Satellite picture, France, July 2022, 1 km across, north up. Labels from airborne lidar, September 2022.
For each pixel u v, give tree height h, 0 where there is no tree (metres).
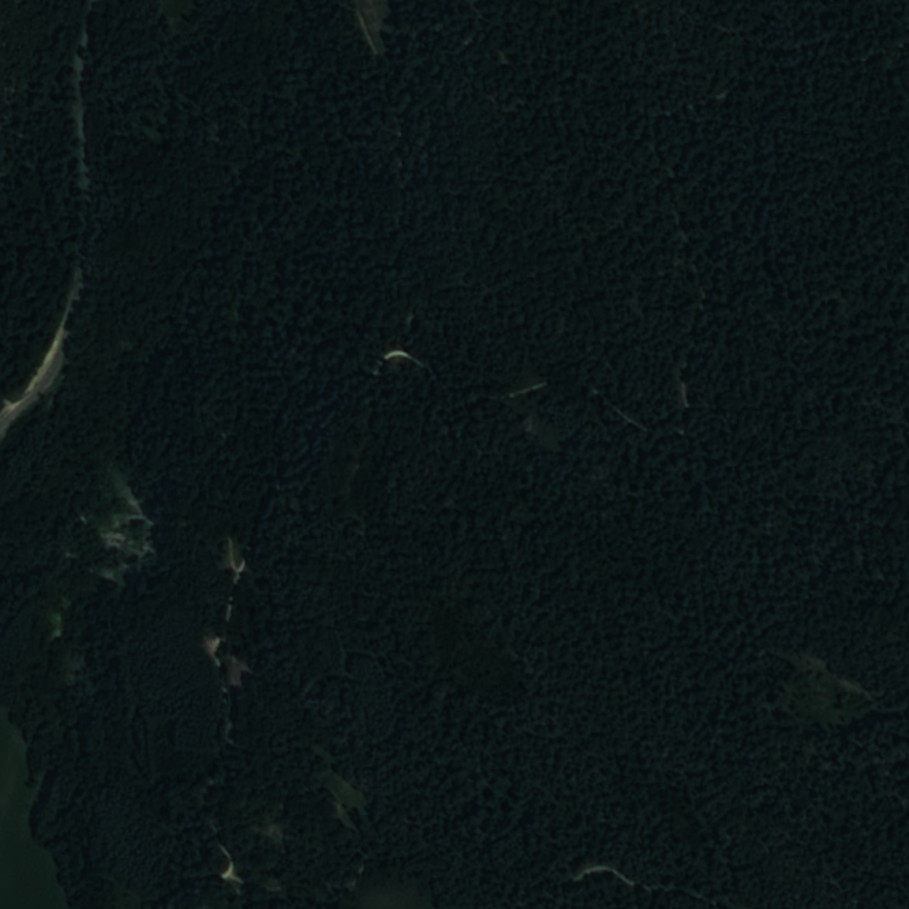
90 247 30
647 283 16
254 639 9
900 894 12
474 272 18
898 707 31
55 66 12
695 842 10
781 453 16
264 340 36
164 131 30
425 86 23
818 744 23
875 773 20
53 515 29
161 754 10
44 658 8
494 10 23
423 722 20
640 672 6
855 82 17
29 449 23
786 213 16
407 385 18
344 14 22
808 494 7
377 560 24
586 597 21
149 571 12
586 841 14
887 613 27
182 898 25
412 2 26
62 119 27
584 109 10
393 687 11
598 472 15
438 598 7
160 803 15
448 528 17
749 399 23
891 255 13
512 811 36
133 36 25
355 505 8
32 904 0
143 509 0
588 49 20
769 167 25
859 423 22
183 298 29
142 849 29
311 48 34
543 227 17
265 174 28
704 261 27
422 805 28
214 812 17
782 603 22
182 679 25
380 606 11
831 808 21
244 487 20
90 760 31
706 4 24
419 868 23
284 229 34
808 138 23
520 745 13
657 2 14
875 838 14
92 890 27
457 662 11
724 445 33
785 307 31
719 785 18
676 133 31
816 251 24
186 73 32
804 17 24
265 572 25
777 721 6
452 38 13
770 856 9
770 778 22
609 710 13
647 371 13
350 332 14
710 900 18
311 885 24
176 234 37
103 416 27
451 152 21
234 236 29
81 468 18
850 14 25
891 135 19
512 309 23
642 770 14
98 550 9
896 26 23
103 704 20
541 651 16
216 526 13
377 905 0
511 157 23
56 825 32
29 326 20
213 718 19
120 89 34
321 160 30
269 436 17
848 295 24
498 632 9
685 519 30
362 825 28
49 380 0
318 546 20
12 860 0
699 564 25
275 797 14
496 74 19
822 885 15
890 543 23
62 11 32
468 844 21
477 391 30
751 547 17
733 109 23
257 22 36
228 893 15
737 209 7
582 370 25
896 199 26
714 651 27
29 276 28
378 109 29
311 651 25
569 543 19
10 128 29
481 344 18
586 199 20
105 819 25
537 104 19
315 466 28
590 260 21
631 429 21
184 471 24
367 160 26
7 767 0
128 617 21
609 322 20
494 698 8
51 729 20
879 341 28
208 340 31
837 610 23
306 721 26
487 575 24
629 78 16
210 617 12
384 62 23
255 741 17
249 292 27
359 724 31
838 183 18
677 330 22
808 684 13
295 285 43
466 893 17
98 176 9
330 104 28
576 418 26
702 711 29
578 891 28
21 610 21
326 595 14
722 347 25
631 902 10
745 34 20
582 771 19
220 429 18
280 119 26
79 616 13
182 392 26
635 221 17
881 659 21
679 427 22
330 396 25
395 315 14
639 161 23
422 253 17
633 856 21
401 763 16
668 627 28
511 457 22
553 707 20
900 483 27
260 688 18
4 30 11
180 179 31
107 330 26
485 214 20
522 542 18
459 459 11
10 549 23
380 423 28
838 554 27
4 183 21
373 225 32
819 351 18
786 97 18
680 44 15
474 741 21
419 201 26
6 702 24
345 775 20
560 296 21
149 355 10
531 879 21
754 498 14
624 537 20
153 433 23
